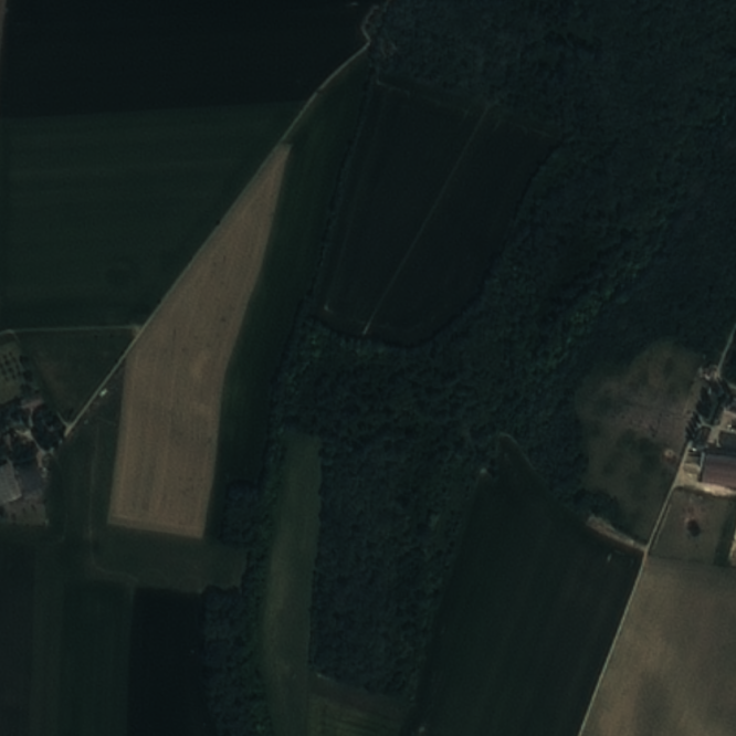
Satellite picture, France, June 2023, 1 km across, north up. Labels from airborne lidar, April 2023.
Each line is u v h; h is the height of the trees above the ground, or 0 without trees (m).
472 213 0
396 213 0
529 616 0
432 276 0
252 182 0
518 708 0
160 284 0
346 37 0
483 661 0
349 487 20
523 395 8
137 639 0
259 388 0
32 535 0
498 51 21
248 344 0
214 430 0
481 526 0
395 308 0
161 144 0
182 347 0
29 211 0
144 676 0
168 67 0
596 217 21
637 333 18
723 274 23
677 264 21
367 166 0
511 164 0
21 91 0
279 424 7
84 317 0
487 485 0
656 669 0
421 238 0
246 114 0
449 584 0
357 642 23
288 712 0
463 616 0
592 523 0
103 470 0
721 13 19
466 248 0
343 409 13
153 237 0
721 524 0
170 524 0
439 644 0
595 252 10
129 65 0
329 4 0
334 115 0
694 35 24
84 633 0
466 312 8
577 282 19
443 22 21
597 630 0
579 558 0
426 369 10
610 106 25
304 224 0
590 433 0
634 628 0
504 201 0
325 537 18
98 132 0
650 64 27
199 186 0
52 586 0
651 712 0
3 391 0
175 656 0
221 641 25
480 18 25
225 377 0
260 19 0
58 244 0
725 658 0
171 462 0
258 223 0
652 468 0
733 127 19
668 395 0
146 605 0
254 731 20
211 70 0
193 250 0
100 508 0
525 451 10
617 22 25
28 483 0
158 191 0
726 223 17
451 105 0
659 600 0
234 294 0
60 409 0
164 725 0
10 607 0
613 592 0
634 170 27
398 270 0
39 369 0
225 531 13
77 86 0
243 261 0
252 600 12
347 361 11
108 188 0
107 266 0
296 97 0
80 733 0
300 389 12
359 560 24
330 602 20
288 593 0
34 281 0
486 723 0
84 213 0
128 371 0
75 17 0
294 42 0
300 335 8
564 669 0
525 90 21
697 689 0
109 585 0
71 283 0
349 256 0
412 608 12
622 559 0
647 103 27
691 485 0
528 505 0
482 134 0
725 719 0
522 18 21
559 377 17
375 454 22
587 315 14
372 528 21
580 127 19
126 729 0
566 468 17
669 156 28
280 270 0
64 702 0
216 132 0
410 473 10
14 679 0
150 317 0
